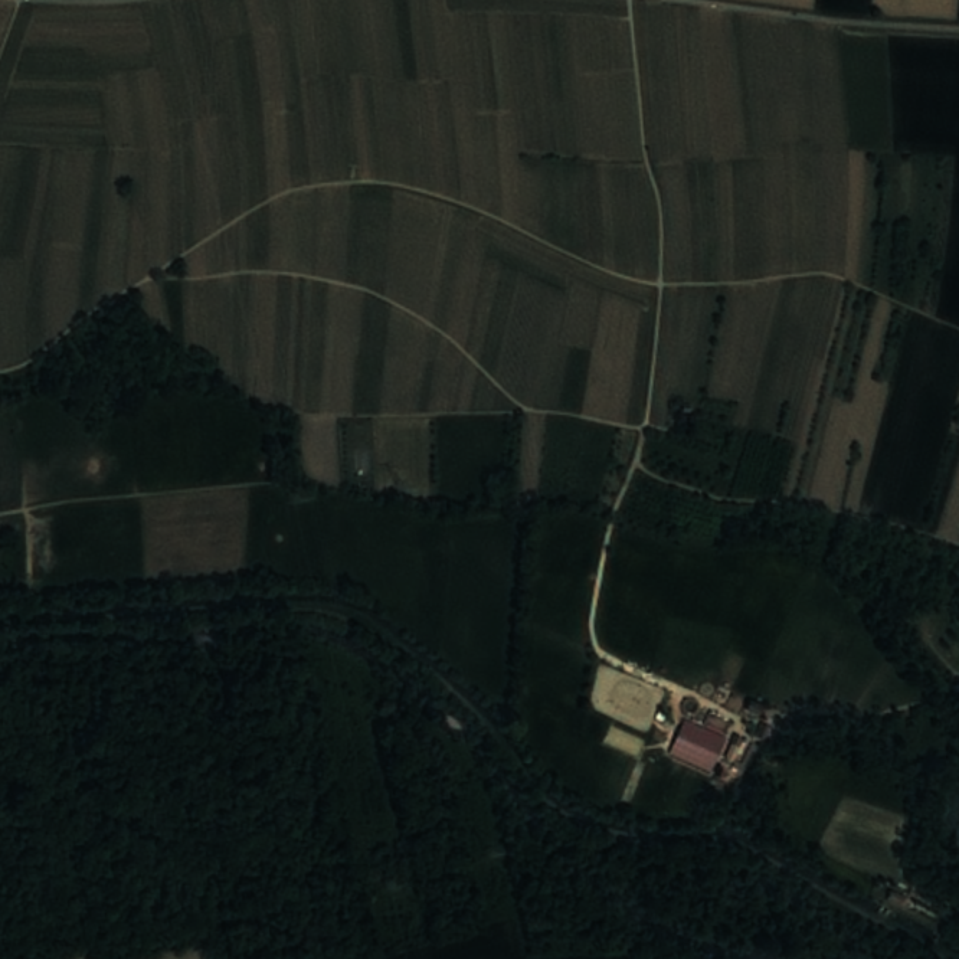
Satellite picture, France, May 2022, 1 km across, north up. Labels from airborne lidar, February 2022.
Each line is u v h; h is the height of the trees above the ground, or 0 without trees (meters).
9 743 31
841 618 0
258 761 26
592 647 8
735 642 0
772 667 0
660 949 25
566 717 0
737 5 0
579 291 0
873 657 0
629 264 0
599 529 0
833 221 0
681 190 0
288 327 0
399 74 0
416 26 0
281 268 0
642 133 0
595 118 0
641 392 0
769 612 0
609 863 24
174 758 27
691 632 0
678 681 0
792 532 22
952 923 13
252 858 26
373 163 0
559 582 0
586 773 0
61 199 0
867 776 16
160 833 31
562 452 0
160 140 0
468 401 0
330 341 0
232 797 23
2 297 0
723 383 0
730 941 17
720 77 0
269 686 31
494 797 15
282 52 0
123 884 33
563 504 14
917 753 0
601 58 0
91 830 34
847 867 0
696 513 6
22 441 0
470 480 0
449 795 22
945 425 0
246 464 0
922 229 0
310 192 0
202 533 0
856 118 0
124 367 28
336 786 24
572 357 0
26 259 0
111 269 0
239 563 0
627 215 0
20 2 0
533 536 18
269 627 12
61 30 0
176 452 0
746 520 13
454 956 0
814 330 0
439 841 22
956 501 0
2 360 0
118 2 0
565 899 25
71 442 0
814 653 0
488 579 0
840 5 0
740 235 0
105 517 0
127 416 33
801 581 0
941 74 0
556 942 22
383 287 0
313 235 0
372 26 0
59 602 8
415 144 0
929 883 28
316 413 0
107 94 0
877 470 0
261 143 0
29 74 0
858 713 13
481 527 0
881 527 18
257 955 28
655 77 0
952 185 0
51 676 12
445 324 0
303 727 29
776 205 0
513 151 0
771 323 0
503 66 0
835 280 0
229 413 0
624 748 0
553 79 0
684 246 0
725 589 0
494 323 0
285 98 0
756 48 0
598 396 0
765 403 0
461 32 0
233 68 0
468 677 0
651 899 35
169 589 22
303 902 26
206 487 0
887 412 0
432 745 23
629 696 0
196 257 0
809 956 15
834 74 0
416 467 0
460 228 0
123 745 28
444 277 0
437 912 26
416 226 0
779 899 22
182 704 29
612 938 24
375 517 0
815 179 0
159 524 0
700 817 22
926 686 19
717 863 26
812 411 0
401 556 0
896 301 0
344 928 28
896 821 0
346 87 0
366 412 0
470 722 12
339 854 22
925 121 0
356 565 0
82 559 0
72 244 0
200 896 31
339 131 0
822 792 0
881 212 6
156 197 0
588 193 0
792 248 0
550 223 0
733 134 0
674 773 0
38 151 0
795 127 0
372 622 0
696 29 0
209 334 0
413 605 0
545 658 0
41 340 0
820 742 33
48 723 23
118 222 0
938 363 0
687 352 0
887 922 0
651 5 0
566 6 0
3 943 32
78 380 34
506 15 0
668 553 0
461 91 0
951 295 0
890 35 0
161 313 0
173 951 19
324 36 0
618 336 0
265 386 0
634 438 0
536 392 0
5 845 29
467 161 0
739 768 0
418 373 0
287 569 0
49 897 32
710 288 0
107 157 0
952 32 0
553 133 0
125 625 10
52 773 26
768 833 17
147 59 0
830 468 0
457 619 0
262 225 0
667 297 0
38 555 0
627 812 16
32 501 0
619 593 0
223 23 0
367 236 0
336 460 0
